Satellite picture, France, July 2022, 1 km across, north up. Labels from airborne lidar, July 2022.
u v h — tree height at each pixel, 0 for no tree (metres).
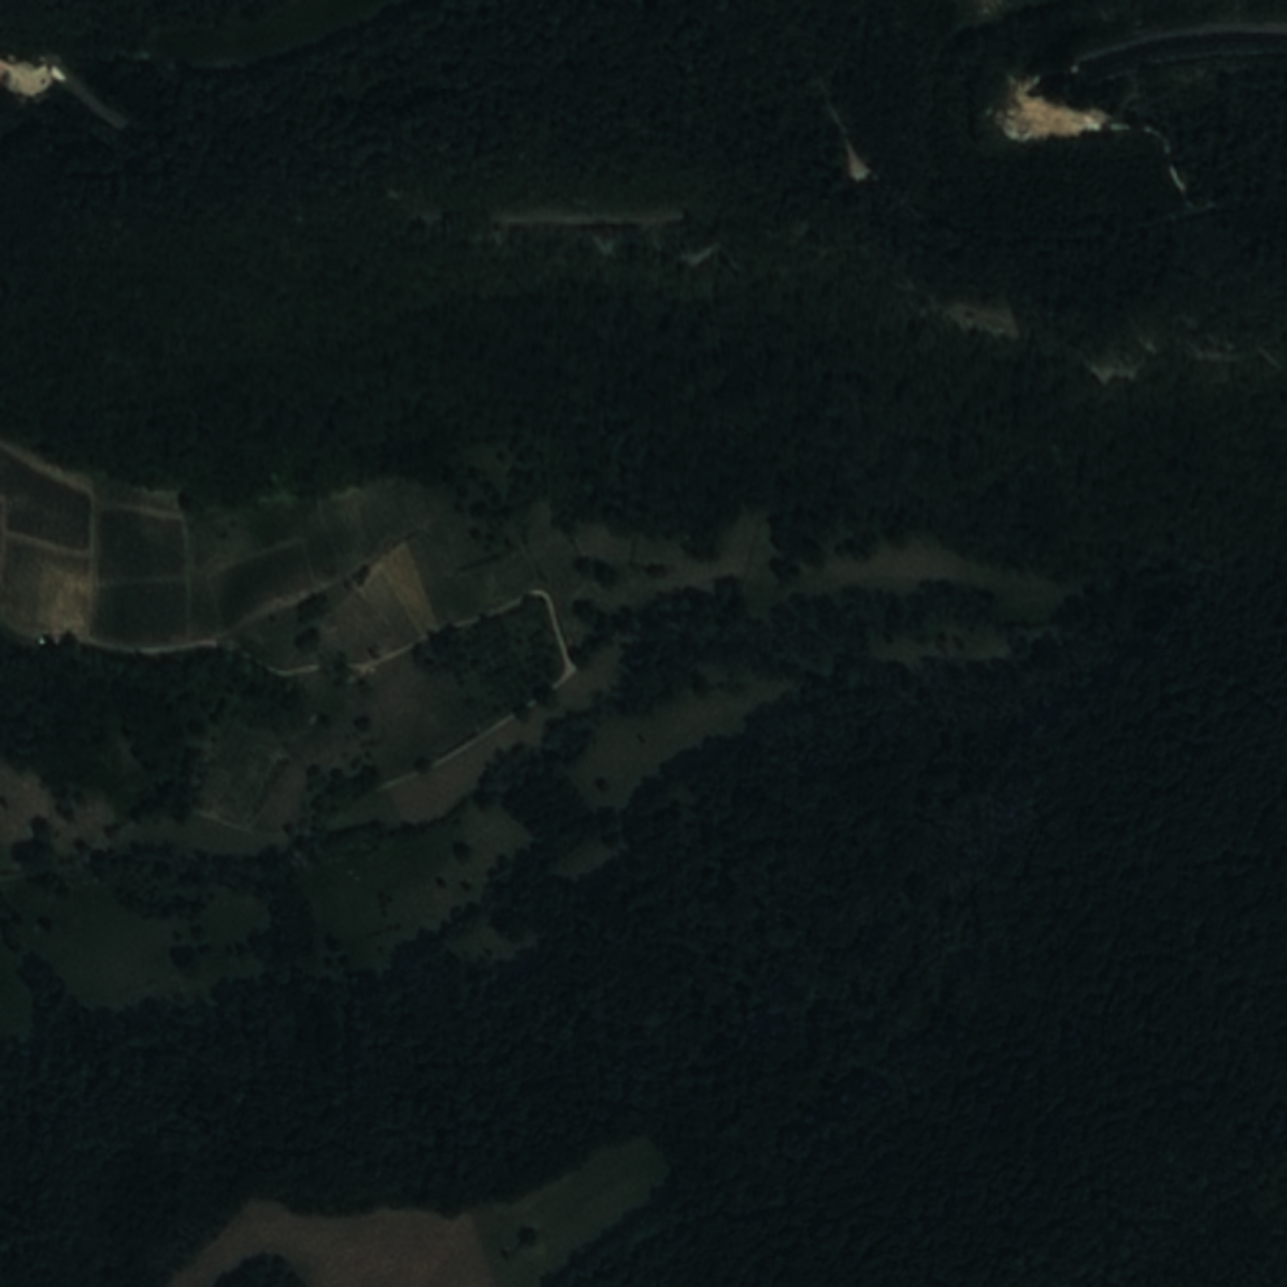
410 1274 0
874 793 25
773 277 11
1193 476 26
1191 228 14
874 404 24
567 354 26
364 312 19
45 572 0
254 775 0
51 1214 22
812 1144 25
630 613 13
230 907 0
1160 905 24
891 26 12
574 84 15
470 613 0
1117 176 6
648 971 30
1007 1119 49
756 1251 23
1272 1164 19
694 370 24
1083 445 23
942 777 26
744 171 14
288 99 24
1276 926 29
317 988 9
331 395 16
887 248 9
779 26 18
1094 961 29
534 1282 0
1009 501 27
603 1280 19
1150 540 28
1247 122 12
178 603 0
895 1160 39
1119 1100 25
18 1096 15
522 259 11
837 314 20
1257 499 21
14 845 0
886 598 15
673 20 15
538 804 13
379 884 0
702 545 14
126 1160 22
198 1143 23
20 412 18
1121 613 29
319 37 0
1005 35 7
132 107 12
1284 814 28
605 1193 0
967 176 7
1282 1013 24
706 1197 23
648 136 11
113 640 0
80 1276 18
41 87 0
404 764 0
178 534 0
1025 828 28
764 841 28
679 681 23
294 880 23
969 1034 30
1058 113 0
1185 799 29
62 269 15
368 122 14
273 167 15
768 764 29
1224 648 23
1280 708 25
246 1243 0
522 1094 25
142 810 10
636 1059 38
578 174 11
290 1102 26
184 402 21
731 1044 25
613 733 0
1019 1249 30
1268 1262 13
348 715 0
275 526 0
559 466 11
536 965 22
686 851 15
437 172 12
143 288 16
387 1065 24
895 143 17
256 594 0
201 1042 28
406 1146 27
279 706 8
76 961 0
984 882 27
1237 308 7
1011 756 21
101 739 15
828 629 31
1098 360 9
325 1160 34
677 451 28
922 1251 33
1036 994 25
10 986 0
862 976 25
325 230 14
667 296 24
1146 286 13
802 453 31
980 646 0
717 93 16
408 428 21
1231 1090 22
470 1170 27
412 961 25
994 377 24
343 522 0
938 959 6
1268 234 9
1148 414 20
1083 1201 27
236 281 15
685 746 0
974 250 16
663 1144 22
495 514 9
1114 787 28
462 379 18
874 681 26
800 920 19
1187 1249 19
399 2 0
